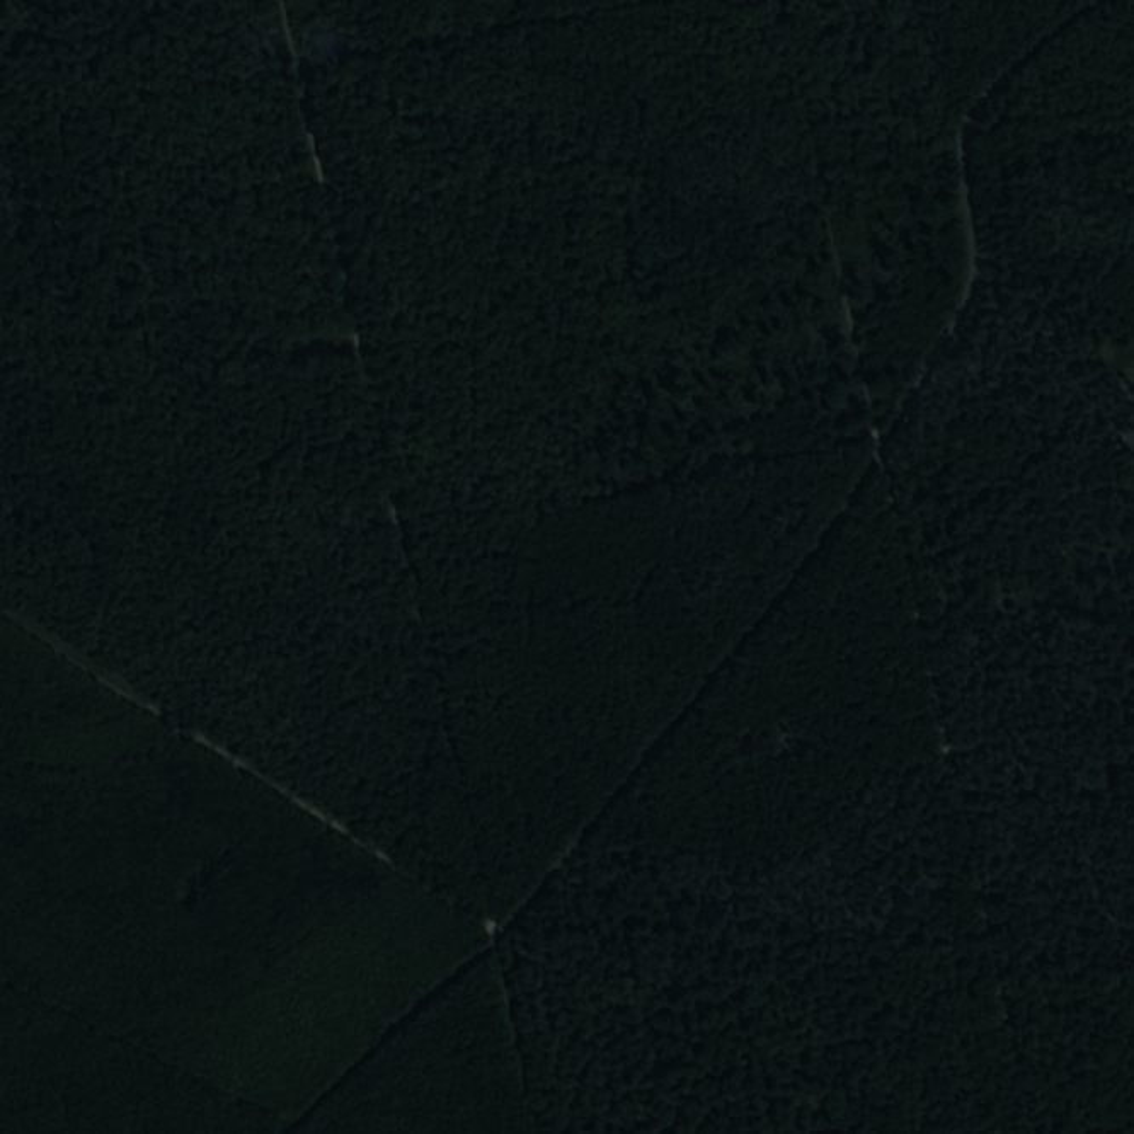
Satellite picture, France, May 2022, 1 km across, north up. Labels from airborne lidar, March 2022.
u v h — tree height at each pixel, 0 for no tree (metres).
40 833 16
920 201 27
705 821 21
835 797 22
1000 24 20
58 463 22
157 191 25
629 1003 30
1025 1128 20
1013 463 17
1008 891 18
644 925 23
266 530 28
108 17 29
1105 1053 25
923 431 25
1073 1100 21
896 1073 23
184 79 24
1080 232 22
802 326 6
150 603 25
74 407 23
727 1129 31
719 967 26
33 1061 0
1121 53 26
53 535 25
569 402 27
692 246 22
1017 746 29
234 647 25
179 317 24
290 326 26
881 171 28
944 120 22
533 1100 23
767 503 19
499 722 25
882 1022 27
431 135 32
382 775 22
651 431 28
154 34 30
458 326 27
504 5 21
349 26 22
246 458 24
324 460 25
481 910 17
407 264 27
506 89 26
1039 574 25
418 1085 17
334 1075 15
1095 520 26
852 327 0
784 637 19
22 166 26
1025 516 24
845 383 27
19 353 24
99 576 23
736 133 21
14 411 26
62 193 28
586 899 25
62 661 13
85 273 29
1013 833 29
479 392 27
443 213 29
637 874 24
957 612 12
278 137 25
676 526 20
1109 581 33
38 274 27
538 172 28
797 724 22
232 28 23
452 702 23
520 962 27
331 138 27
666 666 24
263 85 22
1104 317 24
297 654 28
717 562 31
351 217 23
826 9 28
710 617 23
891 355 11
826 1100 28
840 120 14
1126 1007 25
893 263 31
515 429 27
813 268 27
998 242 21
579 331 29
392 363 27
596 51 24
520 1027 24
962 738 26
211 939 16
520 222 28
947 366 28
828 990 26
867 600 22
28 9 33
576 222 29
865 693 21
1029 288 20
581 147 25
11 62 29
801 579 19
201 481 26
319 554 25
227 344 24
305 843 17
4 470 22
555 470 27
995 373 33
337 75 26
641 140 24
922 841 29
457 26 27
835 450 21
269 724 24
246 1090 19
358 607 28
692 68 25
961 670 23
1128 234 23
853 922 29
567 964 22
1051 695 27
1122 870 21
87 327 26
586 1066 24
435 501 24
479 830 22
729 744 19
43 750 0
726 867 20
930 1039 24
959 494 23
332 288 22
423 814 22
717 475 22
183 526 19
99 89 25
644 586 19
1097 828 26
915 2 23
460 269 28
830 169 23
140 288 29
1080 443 24
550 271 28
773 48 27
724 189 25
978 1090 24
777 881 38
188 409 22
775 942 29
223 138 26
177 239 26
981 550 23
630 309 24
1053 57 21
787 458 22
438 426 27
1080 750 29
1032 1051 20
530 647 25
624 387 25
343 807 15
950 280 19
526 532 23
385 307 26
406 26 27
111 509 25
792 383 29
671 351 30
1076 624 28
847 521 20
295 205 27
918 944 22
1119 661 30
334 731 23
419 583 25
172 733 16
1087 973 23
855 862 24
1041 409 29
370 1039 17
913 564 20
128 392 23
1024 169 27
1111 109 28
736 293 21
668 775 22
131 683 18
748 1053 27
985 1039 25
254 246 25
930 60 21
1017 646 27
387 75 22
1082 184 19
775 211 22
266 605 21
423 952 17
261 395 24
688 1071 29
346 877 17
